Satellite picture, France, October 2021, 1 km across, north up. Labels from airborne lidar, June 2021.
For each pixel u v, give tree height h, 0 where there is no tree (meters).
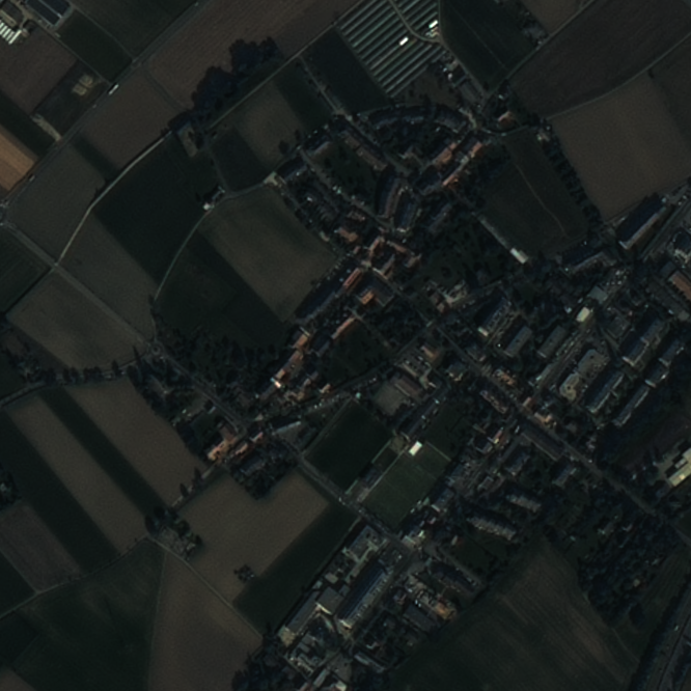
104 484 0
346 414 0
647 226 10
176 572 0
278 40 0
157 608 0
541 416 8
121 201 0
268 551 0
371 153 14
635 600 9
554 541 15
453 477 0
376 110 0
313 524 0
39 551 0
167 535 0
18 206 0
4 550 0
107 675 0
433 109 12
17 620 0
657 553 6
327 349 6
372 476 0
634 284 10
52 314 0
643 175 0
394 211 0
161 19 0
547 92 0
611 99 0
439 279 0
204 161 0
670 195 0
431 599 0
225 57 0
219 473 0
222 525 0
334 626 0
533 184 0
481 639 0
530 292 0
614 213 0
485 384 9
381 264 11
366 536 0
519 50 0
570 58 0
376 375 0
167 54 0
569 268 10
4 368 0
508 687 0
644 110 0
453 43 0
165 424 0
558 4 0
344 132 15
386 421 7
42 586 0
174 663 0
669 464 0
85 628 0
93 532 0
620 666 0
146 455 0
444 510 7
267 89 0
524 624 0
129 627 0
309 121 0
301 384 8
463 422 0
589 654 0
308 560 0
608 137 0
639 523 7
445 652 0
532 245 0
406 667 0
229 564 0
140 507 0
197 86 0
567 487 16
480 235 7
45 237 0
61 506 0
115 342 0
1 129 0
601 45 0
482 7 0
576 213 0
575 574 0
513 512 10
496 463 9
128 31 0
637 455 0
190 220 0
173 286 0
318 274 0
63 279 0
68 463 0
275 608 0
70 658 0
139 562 0
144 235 0
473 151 7
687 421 0
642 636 0
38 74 0
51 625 0
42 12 0
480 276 6
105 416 0
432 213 9
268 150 0
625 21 0
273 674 14
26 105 0
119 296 0
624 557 13
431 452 0
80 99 0
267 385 10
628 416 8
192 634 0
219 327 0
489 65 0
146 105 0
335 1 0
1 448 0
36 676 0
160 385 15
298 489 0
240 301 0
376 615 7
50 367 0
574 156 0
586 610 0
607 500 12
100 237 0
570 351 0
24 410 0
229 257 0
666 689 0
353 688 8
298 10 0
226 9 0
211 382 9
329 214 8
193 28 0
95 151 0
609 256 10
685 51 0
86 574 0
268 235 0
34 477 0
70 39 0
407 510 0
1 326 8
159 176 0
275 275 0
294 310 0
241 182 0
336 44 0
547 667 0
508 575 0
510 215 0
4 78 0
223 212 0
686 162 0
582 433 10
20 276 0
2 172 0
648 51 0
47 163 0
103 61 0
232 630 0
